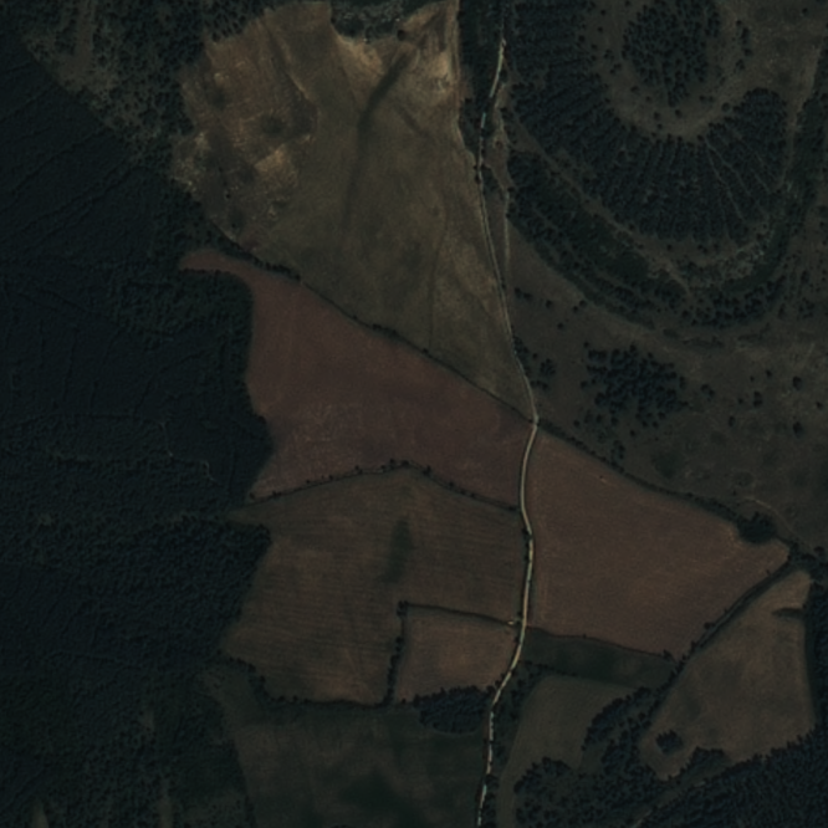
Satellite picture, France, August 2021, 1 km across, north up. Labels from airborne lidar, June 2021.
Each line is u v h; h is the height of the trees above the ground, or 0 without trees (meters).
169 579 19
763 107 16
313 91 0
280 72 0
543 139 14
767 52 0
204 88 0
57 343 16
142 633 10
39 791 11
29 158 11
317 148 0
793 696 0
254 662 0
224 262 0
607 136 12
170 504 19
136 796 10
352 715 0
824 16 0
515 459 0
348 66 0
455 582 0
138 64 8
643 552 0
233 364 8
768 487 0
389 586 0
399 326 0
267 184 0
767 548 0
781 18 0
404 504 0
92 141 11
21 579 16
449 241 0
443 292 0
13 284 15
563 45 13
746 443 0
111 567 20
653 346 0
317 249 0
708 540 0
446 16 0
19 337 14
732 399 0
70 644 15
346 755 0
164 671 17
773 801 14
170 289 11
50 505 17
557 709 0
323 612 0
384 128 0
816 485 0
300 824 0
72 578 14
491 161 0
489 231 0
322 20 0
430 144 0
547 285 0
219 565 21
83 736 8
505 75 9
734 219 16
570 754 0
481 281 0
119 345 14
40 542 13
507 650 0
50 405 15
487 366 0
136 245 12
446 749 0
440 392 0
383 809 0
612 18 0
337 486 0
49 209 14
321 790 0
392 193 0
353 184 0
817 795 12
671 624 0
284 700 9
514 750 0
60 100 10
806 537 0
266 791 0
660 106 0
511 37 14
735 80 0
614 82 0
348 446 0
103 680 8
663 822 8
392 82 0
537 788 10
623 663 0
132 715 9
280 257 0
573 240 10
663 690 7
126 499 17
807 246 0
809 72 0
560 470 0
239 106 0
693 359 0
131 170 11
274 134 0
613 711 12
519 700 11
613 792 7
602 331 0
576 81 14
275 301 0
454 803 0
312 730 0
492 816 13
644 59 10
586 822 8
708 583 0
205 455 14
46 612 13
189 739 6
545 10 14
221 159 0
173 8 11
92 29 0
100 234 16
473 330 0
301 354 0
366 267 0
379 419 0
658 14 13
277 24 0
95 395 13
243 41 0
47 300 16
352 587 0
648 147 10
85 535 10
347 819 0
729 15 0
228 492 12
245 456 15
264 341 0
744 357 0
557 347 0
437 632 0
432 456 0
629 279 9
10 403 13
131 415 11
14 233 12
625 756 8
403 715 0
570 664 0
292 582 0
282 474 0
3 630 17
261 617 0
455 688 0
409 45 0
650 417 8
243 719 0
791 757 13
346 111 0
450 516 0
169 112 9
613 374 11
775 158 14
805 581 0
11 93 14
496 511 0
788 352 0
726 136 13
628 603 0
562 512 0
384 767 0
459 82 0
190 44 11
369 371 0
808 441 0
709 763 8
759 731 0
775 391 0
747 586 0
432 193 0
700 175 11
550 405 0
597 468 0
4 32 10
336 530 0
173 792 8
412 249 0
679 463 0
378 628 0
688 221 16
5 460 17
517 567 0
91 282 12
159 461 9
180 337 14
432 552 0
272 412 0
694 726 0
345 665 0
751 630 0
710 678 0
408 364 0
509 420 0
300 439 0
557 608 0
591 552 0
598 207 0
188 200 9
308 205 0
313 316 0
